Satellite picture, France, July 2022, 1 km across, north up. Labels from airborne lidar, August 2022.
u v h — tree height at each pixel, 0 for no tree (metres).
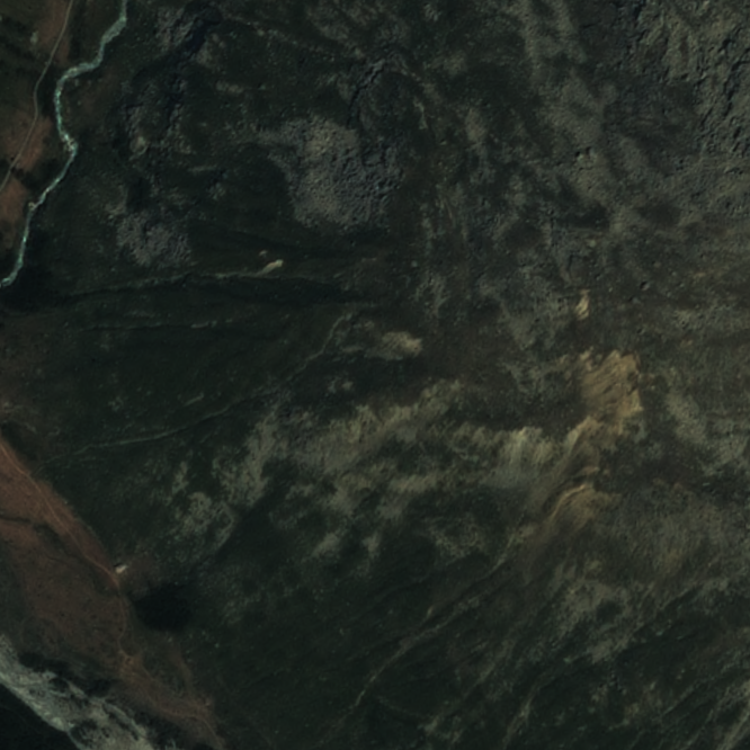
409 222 0
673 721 0
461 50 0
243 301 0
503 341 0
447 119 0
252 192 0
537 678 0
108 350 0
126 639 0
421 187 0
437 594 0
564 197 0
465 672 0
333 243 0
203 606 0
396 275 0
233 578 0
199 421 0
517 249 0
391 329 0
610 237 0
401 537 0
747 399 0
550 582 0
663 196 0
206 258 0
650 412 0
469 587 0
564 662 0
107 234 0
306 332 0
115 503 0
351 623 0
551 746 0
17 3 0
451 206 0
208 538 0
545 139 0
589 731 0
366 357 0
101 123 0
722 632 0
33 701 0
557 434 0
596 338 0
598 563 0
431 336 0
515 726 0
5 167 6
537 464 0
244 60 0
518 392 0
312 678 0
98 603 0
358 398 0
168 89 0
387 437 0
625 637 0
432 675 0
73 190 0
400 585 0
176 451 0
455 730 0
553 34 0
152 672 0
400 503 0
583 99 0
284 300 0
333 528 0
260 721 0
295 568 0
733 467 0
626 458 0
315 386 0
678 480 0
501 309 0
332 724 0
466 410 0
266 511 0
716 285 0
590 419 0
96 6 0
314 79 0
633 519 0
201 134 0
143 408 0
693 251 0
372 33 0
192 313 0
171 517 0
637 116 0
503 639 0
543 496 0
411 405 0
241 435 0
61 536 0
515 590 0
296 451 0
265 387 0
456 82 0
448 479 0
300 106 0
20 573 0
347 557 0
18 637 0
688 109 0
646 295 0
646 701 0
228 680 0
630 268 0
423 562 0
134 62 0
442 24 0
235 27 0
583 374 0
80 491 0
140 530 0
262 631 0
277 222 0
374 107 0
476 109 0
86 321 0
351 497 0
